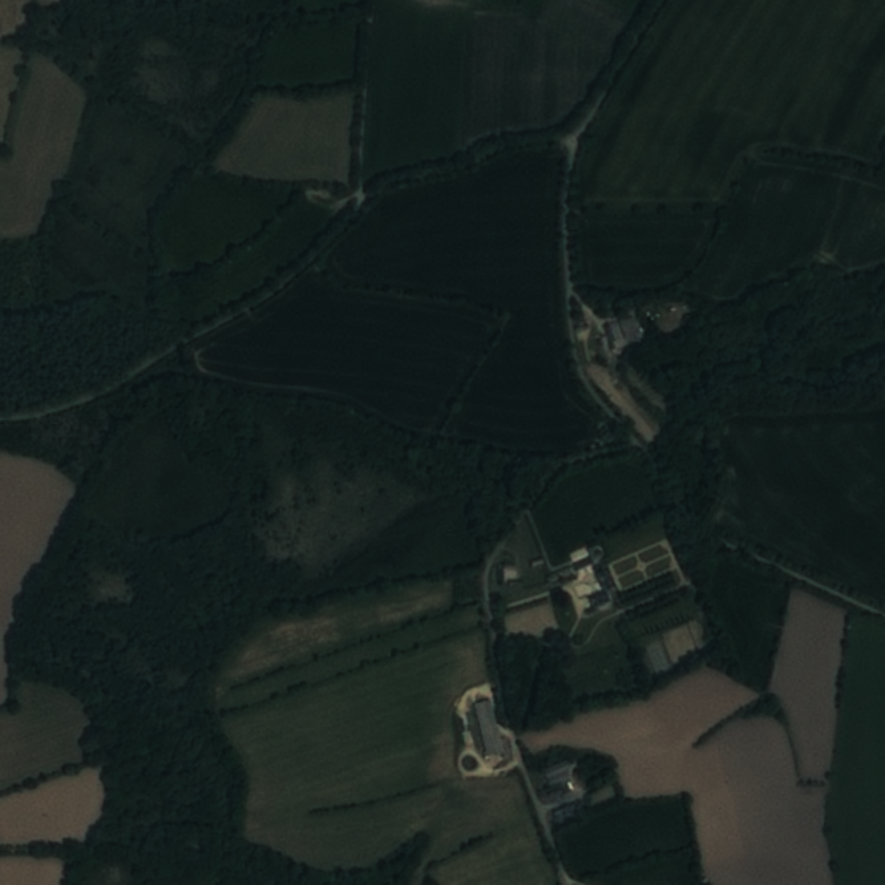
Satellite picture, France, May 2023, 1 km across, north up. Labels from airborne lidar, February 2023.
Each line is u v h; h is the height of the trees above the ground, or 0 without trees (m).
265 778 0
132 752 18
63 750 0
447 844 0
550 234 0
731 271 0
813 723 0
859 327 12
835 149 0
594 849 0
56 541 16
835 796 0
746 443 0
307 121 0
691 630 0
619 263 0
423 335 0
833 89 0
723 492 0
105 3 11
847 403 21
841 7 0
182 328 15
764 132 0
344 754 0
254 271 0
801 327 10
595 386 0
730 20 0
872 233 0
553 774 0
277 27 15
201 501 0
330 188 9
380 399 0
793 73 0
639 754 0
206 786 14
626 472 0
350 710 0
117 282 0
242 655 0
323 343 0
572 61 0
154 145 0
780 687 0
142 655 7
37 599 16
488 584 0
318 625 0
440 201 0
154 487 0
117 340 26
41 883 0
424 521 0
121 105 15
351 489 0
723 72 0
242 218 0
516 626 0
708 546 18
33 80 0
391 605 0
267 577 12
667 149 0
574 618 0
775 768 0
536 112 0
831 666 0
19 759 0
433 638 0
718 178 0
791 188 0
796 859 0
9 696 7
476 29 0
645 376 8
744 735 0
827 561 0
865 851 0
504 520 22
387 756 0
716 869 0
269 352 0
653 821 0
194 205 0
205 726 18
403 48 0
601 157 0
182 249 0
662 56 0
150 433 0
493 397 0
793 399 25
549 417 0
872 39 0
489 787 0
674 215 0
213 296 0
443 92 0
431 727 0
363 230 0
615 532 9
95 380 27
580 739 0
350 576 0
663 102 0
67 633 16
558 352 0
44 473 0
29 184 0
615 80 10
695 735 0
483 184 0
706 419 25
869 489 0
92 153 0
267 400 10
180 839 14
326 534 0
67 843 12
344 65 0
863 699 0
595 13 0
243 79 6
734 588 0
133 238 0
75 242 0
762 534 0
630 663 10
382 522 0
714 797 0
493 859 0
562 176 11
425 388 0
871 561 0
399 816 0
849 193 0
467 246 0
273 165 0
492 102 0
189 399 20
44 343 23
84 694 21
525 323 0
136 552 11
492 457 18
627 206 0
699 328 18
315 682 0
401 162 0
